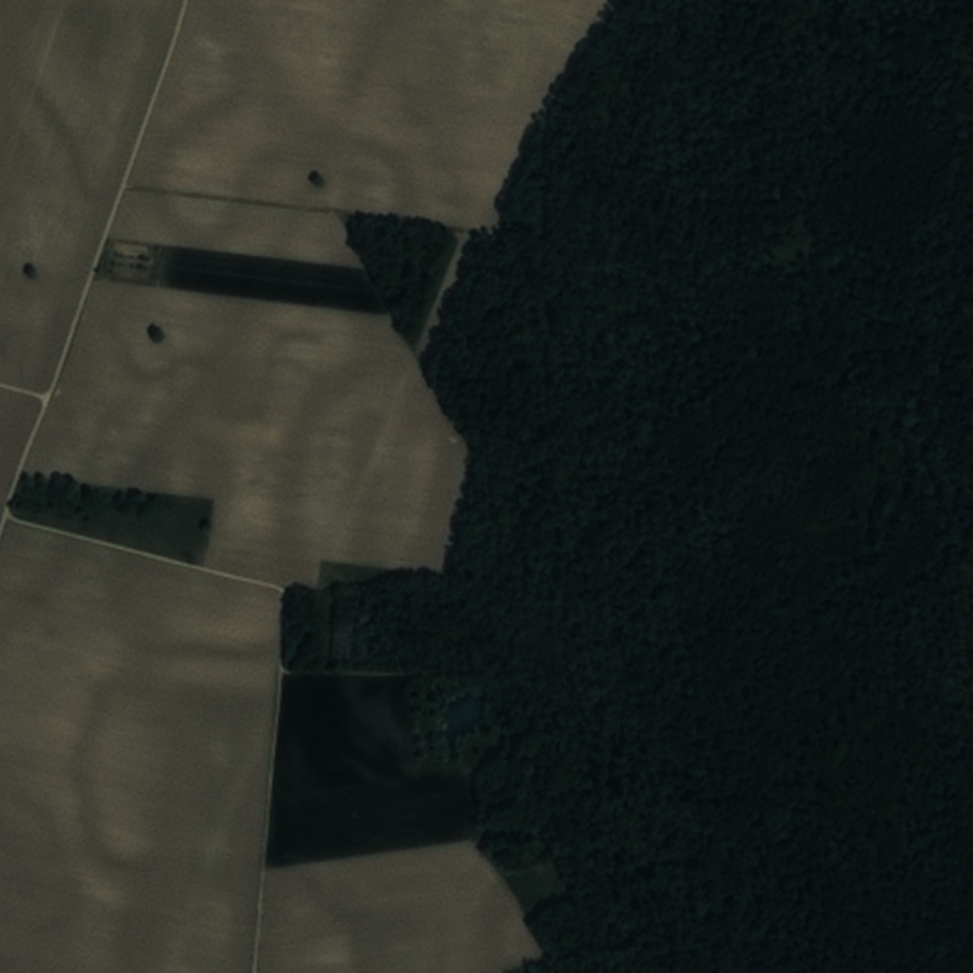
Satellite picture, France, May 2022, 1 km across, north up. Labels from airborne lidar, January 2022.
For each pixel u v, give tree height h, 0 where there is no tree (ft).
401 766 0
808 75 58
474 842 0
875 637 38
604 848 68
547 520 61
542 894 0
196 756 0
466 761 0
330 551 0
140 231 0
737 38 71
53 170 0
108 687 0
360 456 0
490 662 62
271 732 0
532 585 61
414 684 31
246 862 0
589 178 73
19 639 0
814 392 62
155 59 0
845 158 47
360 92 0
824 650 59
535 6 0
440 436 0
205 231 0
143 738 0
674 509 68
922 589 56
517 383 78
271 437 0
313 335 0
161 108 0
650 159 51
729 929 53
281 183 0
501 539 62
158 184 0
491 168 0
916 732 21
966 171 50
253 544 0
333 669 35
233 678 0
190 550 0
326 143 0
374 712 0
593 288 42
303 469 0
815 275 59
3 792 0
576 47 0
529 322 60
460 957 0
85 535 0
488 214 0
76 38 0
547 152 73
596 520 37
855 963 51
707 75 76
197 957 0
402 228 69
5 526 0
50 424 0
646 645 53
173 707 0
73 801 0
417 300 32
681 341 49
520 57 0
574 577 49
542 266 57
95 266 0
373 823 0
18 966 0
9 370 0
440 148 0
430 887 0
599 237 54
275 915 0
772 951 51
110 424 0
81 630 0
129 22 0
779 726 57
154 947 0
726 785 58
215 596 0
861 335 69
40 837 0
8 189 0
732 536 39
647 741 60
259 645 0
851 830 21
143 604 0
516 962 0
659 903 71
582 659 59
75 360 0
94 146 0
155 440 0
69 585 0
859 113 46
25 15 0
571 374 48
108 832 0
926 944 55
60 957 0
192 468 0
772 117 67
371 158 0
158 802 0
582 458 56
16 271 0
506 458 64
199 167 0
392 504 0
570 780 76
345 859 0
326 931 0
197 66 0
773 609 56
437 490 0
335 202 0
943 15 85
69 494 45
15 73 0
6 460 0
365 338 0
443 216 0
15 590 0
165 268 0
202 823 0
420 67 0
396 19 0
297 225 0
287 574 0
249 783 0
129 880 0
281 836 0
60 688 0
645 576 47
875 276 63
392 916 0
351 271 0
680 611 56
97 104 0
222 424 0
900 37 81
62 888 0
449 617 67
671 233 67
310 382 0
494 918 0
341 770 0
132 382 0
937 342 62
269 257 0
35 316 0
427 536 0
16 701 0
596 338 18
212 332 0
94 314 0
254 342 0
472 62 0
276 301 0
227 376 0
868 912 54
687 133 58
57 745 0
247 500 0
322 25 0
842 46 76
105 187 0
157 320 0
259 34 0
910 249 66
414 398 0
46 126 0
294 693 0
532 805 84
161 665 0
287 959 0
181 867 0
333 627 24
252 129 0
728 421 54
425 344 0
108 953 0
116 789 0
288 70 0
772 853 60
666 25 71
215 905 0
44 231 0
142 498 41
